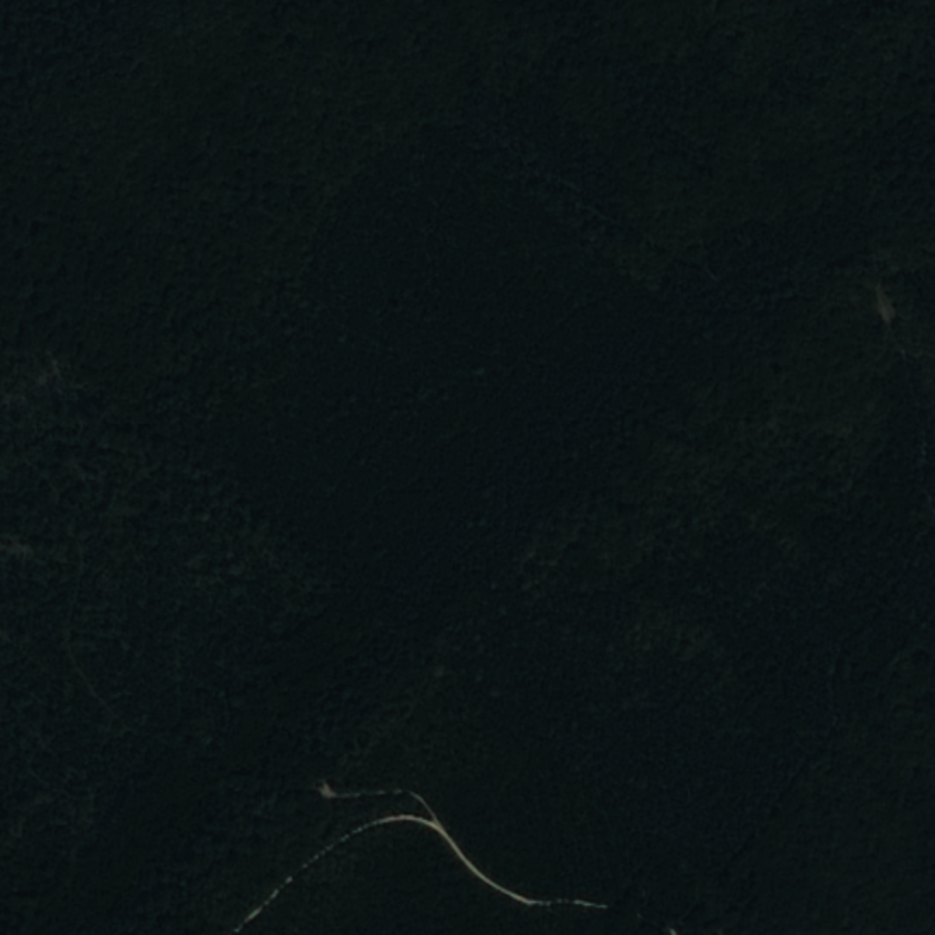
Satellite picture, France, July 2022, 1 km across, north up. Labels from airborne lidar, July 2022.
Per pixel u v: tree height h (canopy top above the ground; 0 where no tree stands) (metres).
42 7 18
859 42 18
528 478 15
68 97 17
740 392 21
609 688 16
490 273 9
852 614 15
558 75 18
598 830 9
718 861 18
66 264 20
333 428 10
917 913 18
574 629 15
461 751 7
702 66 19
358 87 20
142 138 15
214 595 7
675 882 17
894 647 22
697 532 17
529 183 18
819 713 17
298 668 22
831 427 18
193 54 18
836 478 10
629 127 22
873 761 22
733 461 15
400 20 19
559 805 6
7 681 10
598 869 10
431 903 7
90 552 7
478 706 15
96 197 17
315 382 12
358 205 11
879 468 15
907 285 17
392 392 11
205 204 23
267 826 20
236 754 23
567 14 20
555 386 12
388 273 14
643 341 16
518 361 8
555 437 22
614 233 22
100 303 20
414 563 14
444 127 12
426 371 11
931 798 19
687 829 19
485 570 7
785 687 21
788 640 15
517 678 16
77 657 8
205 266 20
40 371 7
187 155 20
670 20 19
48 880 19
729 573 16
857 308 19
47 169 18
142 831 20
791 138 17
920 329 18
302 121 20
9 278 22
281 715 20
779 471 12
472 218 13
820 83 20
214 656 16
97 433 20
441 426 11
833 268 22
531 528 24
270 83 19
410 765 7
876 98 24
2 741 8
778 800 17
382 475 11
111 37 22
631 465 18
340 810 15
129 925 21
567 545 18
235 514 19
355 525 12
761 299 20
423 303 10
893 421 18
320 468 11
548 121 17
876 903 17
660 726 17
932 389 16
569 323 11
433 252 11
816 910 22
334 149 18
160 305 22
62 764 9
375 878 8
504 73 26
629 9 22
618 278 10
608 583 14
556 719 19
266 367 9
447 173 10
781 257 17
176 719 9
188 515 8
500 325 13
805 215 19
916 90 19
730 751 18
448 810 7
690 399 17
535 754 7
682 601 16
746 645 18
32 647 9
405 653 21
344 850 9
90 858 16
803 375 19
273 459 11
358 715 24
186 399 18
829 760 14
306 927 9
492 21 20
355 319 12
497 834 8
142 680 7
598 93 19
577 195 17
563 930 7
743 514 14
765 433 17
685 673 14
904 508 15
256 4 21
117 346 18
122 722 8
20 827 7
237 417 7
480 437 13
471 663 16
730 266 18
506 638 15
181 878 18
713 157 18
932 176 20
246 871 17
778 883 18
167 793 22
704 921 9
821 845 19
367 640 14
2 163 18
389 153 9
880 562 18
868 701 17
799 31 19
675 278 16
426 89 21
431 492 13
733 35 19
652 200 20
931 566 14
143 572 12
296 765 21
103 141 20
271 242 21
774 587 12
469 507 14
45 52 14
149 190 19
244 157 21
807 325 19
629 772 17
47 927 11
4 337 17
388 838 7
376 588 13
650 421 20
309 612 14
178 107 20
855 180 22
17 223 21
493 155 27
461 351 12
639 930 18
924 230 22
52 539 19
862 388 20
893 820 19
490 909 7
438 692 8
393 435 11
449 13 20
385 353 13
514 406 13
